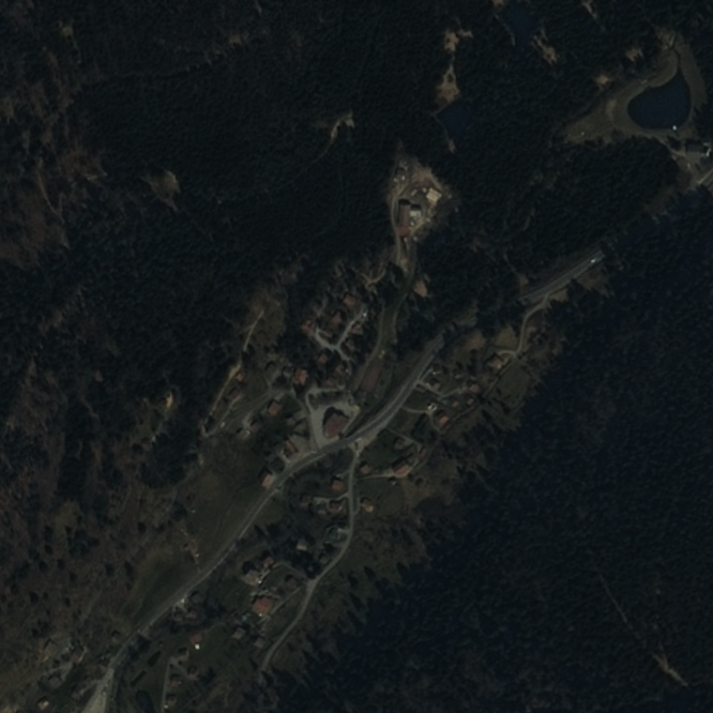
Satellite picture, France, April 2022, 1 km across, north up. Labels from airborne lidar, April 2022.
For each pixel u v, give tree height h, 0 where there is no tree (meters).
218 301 15
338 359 15
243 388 15
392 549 0
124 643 0
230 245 26
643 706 11
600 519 13
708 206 18
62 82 16
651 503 28
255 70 21
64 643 0
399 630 29
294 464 0
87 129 20
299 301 20
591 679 35
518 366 0
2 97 32
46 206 16
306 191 21
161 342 30
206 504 0
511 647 34
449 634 21
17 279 11
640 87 0
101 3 19
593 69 24
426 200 0
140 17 19
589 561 25
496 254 14
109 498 15
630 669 32
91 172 13
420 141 21
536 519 27
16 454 11
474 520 0
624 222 24
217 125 24
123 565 8
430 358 0
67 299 19
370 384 0
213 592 15
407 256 0
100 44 20
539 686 35
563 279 0
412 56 27
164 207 19
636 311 24
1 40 25
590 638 30
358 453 0
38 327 15
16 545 24
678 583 24
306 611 0
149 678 0
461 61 22
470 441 13
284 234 18
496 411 0
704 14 8
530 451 20
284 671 0
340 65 29
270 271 19
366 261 24
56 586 6
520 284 19
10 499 25
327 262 25
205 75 23
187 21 19
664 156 20
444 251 26
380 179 29
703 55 15
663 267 20
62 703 0
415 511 0
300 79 26
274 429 0
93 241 36
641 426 28
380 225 23
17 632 0
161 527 8
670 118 0
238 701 0
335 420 0
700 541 21
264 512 0
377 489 0
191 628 13
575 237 13
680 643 23
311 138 31
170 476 17
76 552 14
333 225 21
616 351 22
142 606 0
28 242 22
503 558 16
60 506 24
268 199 20
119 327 12
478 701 15
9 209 13
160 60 21
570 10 25
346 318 17
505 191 21
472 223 26
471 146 18
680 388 27
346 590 0
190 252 25
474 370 12
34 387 33
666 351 23
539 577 24
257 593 0
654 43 22
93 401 28
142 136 24
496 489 16
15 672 0
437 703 17
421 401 0
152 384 22
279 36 25
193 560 14
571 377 25
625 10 19
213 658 0
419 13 25
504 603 15
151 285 17
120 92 26
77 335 35
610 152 9
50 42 16
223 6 25
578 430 28
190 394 21
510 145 20
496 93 24
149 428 0
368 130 26
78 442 20
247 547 18
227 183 26
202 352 18
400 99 23
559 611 32
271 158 26
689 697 8
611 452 20
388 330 0
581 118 10
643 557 25
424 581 29
